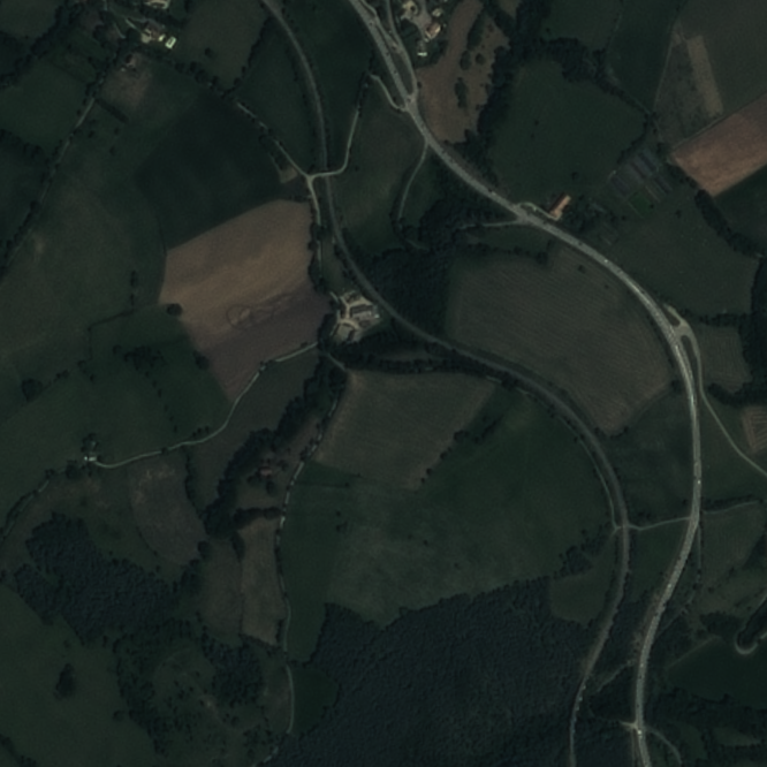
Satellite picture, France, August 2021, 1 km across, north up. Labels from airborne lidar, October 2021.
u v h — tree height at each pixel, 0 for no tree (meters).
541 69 0
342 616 12
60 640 0
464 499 0
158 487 0
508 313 0
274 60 0
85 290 0
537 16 28
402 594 0
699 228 0
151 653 8
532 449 0
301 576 0
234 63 0
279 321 0
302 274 0
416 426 0
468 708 9
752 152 0
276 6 0
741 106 0
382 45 0
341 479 0
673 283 0
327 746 10
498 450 0
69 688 12
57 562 16
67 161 0
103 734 0
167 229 0
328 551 0
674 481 0
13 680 0
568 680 10
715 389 11
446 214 9
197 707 0
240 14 0
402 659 9
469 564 0
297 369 0
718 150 0
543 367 0
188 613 0
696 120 0
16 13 0
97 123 7
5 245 12
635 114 0
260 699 10
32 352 0
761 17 0
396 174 0
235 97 8
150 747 0
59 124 0
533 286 0
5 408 0
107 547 0
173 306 6
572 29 0
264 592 0
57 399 0
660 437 0
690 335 0
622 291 0
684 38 0
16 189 0
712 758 12
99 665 0
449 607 11
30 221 11
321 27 0
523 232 0
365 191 0
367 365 15
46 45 18
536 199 0
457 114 0
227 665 14
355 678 13
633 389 0
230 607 0
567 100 0
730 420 0
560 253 0
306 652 0
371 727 13
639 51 0
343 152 0
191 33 0
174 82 0
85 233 0
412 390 0
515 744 20
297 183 0
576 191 0
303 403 17
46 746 0
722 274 0
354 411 0
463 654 13
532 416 0
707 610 0
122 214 0
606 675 7
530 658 10
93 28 0
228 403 0
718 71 0
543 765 15
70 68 0
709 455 0
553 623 9
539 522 0
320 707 0
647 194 0
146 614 15
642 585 0
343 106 0
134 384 0
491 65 0
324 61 0
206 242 0
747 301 0
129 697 9
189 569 10
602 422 0
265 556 0
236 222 0
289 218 0
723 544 0
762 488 0
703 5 0
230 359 0
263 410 0
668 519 0
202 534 0
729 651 0
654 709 8
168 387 0
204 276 0
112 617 15
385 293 13
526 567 0
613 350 0
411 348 12
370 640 13
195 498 15
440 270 15
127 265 0
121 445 0
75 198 0
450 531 0
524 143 0
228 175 0
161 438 0
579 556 12
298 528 0
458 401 0
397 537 0
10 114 0
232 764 0
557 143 0
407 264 15
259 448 24
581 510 0
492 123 25
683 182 12
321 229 9
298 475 0
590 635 8
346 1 0
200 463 0
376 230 0
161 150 0
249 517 17
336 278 0
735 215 0
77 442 0
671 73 0
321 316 0
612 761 13
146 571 11
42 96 0
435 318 19
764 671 0
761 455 0
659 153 6
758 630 8
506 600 7
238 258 0
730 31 0
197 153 0
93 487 0
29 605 9
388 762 14
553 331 0
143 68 0
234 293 0
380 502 0
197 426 0
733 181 0
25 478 0
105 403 0
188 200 0
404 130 0
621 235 0
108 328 0
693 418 0
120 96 0
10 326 0
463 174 0
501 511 0
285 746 9
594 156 0
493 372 7
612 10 0
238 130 0
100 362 0
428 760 16
